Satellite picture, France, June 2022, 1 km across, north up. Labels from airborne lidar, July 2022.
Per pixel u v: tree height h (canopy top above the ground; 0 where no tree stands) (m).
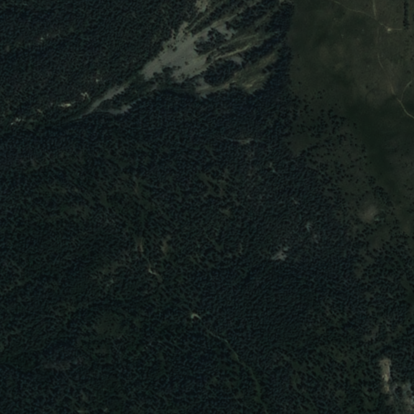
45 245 16
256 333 20
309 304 16
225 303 20
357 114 0
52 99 15
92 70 11
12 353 21
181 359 12
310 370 23
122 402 6
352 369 11
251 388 24
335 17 0
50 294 17
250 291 20
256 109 28
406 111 0
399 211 0
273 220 17
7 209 12
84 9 23
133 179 26
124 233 19
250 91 0
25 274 11
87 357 24
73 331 20
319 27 0
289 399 24
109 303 6
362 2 0
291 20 8
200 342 7
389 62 0
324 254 11
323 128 9
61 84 13
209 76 11
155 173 23
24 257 12
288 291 20
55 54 14
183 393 31
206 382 24
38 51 17
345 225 10
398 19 0
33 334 20
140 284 15
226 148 15
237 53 0
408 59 0
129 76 16
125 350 24
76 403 0
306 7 0
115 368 14
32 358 20
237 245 17
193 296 23
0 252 21
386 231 0
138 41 9
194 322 17
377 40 0
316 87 0
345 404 8
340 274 20
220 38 7
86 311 14
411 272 21
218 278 24
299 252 7
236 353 9
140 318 8
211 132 23
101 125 26
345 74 0
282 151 21
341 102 0
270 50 15
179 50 0
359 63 0
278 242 7
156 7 16
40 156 7
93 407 8
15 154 17
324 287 20
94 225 17
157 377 19
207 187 25
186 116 13
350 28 0
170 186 18
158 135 19
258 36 0
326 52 0
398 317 23
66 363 26
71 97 16
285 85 9
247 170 10
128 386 11
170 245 25
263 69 0
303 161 8
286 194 21
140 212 9
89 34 20
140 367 22
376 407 8
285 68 9
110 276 17
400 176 0
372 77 0
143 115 21
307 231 17
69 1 20
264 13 14
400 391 12
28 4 19
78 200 27
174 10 10
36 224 13
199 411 16
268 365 18
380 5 0
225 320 28
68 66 15
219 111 15
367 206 0
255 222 13
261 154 14
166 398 11
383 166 0
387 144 0
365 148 10
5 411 17
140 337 9
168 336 8
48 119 35
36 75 6
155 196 21
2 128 28
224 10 10
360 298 13
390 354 17
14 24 16
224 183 0
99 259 7
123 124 30
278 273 17
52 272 20
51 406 29
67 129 30
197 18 6
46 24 16
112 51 22
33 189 19
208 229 17
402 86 0
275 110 21
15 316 29
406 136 0
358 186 0
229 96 11
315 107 0
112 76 10
